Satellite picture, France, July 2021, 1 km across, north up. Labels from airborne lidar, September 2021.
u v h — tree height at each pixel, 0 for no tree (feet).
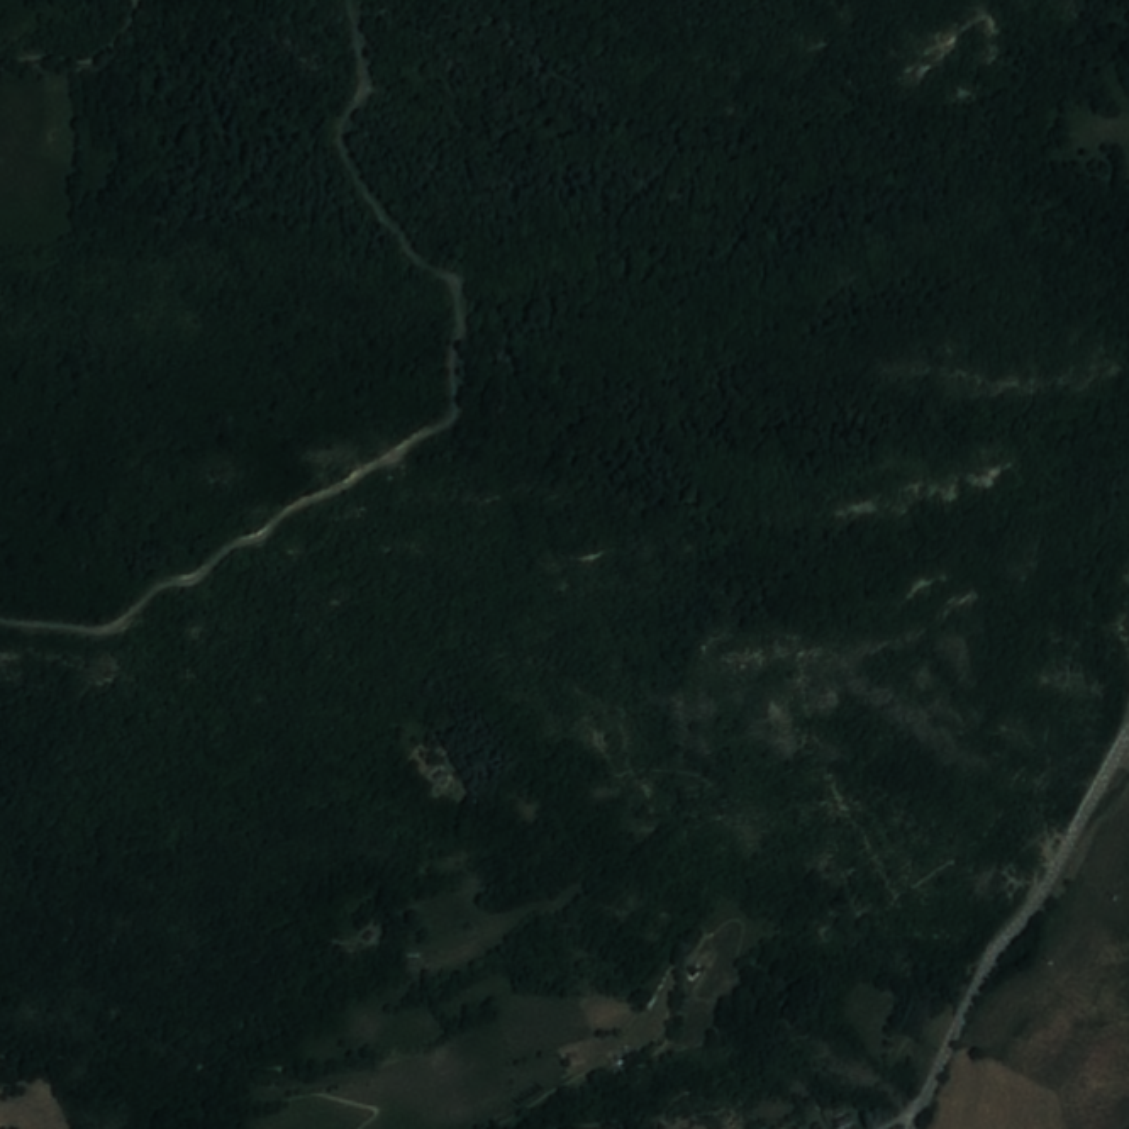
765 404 75
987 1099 0
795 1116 41
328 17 68
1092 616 33
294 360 61
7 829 43
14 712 46
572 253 73
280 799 47
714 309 74
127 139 76
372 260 74
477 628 31
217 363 29
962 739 29
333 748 44
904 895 29
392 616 27
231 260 32
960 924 21
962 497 39
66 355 50
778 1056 45
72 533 25
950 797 34
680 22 42
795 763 29
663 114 28
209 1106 58
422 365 61
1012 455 18
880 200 82
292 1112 0
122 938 29
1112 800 0
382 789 30
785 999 54
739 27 44
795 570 85
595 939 34
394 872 45
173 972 26
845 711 21
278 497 25
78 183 52
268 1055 36
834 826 31
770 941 32
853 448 64
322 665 40
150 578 52
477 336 70
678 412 54
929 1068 0
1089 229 64
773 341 81
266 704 31
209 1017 33
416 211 90
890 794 24
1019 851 28
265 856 48
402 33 75
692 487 64
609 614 20
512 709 34
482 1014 38
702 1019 0
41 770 40
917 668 45
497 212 77
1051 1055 0
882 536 67
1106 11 48
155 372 23
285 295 31
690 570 24
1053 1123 0
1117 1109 0
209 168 84
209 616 45
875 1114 56
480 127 44
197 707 34
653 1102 26
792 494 27
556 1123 27
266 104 23
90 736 46
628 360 79
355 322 24
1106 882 0
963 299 60
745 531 59
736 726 33
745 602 63
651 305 84
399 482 24
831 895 21
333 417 29
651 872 34
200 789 51
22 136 0
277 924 24
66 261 20
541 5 70
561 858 42
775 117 35
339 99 37
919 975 26
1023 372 30
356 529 38
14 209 0
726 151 63
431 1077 0
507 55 46
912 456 25
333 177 48
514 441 27
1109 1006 0
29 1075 45
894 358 33
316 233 68
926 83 38
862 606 44
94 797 30
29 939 35
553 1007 0
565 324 94
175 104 84
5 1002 48
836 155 69
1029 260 47
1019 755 28
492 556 35
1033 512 29
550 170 85
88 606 22
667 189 75
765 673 26
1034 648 35
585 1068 0
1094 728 24
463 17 76
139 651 42
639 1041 0
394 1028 0
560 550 31
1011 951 38
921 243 44
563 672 32
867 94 48
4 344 18
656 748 18
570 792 35
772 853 19
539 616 25
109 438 19
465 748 59
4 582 26
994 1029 0
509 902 41
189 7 47
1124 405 38
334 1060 29
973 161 52
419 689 46
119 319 22
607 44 73
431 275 78
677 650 30
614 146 104
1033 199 33
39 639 21
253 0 35
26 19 0
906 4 62
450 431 22
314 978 39
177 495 21
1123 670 31
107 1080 30
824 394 74
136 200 68
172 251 32
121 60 58
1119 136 0
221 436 43
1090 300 44
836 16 32
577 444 79
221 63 57
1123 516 32
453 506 27
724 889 25
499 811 36
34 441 39
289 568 27
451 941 0
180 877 39
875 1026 0
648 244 49
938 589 58
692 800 31
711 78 59
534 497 19
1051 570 23
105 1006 31
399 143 90
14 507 27
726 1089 39
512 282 80
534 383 73
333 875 46
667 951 22
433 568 26
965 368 26
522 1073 0
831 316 69
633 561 21
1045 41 42
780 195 77
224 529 21
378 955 30
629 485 59
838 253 82
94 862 31
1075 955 0
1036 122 45
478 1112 0
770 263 75
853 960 26
